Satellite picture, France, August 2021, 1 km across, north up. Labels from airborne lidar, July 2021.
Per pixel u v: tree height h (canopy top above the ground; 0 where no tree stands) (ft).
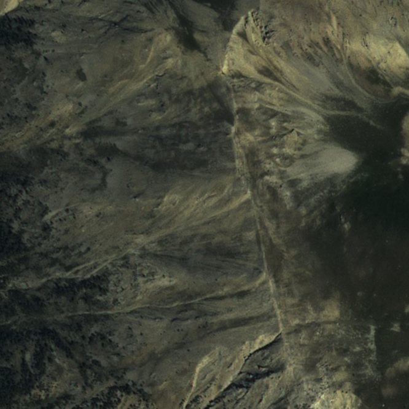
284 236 0
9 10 0
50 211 0
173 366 0
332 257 0
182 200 0
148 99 0
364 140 0
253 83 0
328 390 0
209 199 0
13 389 29
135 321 0
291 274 0
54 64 0
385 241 0
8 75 0
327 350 0
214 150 0
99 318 0
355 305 0
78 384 0
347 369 0
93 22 0
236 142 0
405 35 0
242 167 0
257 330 0
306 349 0
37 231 0
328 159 0
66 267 0
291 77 0
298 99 0
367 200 0
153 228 0
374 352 0
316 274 0
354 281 0
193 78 0
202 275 0
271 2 0
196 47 0
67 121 0
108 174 0
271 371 0
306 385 0
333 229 0
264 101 0
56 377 0
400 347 0
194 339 0
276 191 0
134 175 0
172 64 0
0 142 0
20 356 0
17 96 0
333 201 0
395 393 0
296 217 0
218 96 0
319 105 0
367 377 0
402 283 0
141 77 0
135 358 0
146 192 0
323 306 0
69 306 0
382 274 0
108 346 0
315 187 0
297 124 0
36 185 0
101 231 0
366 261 0
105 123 0
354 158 0
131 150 0
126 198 0
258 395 0
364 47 0
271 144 0
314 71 0
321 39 0
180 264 0
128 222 0
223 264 0
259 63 0
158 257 0
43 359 30
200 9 0
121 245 0
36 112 0
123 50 0
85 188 0
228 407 0
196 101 0
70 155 0
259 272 0
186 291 0
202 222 0
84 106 0
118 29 0
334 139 0
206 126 0
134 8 0
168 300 0
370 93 0
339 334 0
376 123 0
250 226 0
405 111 0
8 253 38
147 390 0
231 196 0
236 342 0
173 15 0
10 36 19
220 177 0
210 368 0
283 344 0
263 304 0
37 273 0
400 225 0
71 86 0
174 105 0
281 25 0
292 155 0
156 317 0
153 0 0
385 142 0
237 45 0
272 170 0
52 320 0
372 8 0
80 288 23
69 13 0
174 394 0
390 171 0
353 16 0
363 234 0
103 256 0
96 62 0
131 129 0
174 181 0
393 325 0
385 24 0
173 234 0
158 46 0
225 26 0
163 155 0
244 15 0
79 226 0
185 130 0
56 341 45
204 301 0
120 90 0
